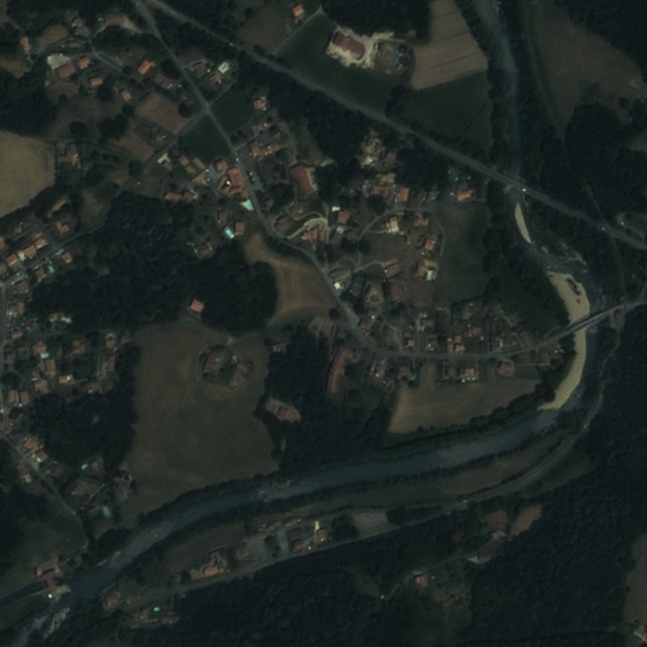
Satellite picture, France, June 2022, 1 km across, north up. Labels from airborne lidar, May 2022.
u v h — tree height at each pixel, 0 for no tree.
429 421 0
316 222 0
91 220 0
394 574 24
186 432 0
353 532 19
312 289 0
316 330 11
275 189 13
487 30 25
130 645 13
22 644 0
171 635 38
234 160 0
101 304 23
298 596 27
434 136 10
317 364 25
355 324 0
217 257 18
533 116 21
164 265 16
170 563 0
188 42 27
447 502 0
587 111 18
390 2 22
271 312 21
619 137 23
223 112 0
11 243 13
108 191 0
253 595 25
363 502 0
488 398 0
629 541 17
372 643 20
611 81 0
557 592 26
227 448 0
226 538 0
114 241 21
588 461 0
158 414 0
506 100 18
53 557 0
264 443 0
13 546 25
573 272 0
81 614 19
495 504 20
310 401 28
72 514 0
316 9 0
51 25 6
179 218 20
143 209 20
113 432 28
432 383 0
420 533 19
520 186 0
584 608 20
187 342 0
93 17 17
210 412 0
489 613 17
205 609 22
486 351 0
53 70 0
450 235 0
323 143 28
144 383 0
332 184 22
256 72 26
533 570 15
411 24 17
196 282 12
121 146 0
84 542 0
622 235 0
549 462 0
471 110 0
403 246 0
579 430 16
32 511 9
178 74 15
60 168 7
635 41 23
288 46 0
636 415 19
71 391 0
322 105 25
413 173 21
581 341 0
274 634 25
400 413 0
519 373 0
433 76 0
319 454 29
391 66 0
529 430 0
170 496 0
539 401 17
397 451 17
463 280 0
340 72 0
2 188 0
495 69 15
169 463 0
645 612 0
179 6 27
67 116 0
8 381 20
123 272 26
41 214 18
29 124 25
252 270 16
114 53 0
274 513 14
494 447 0
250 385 0
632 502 24
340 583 18
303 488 0
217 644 26
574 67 0
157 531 0
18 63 0
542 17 0
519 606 25
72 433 25
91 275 23
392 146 15
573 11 25
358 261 0
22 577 0
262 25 0
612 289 12
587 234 12
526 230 0
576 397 0
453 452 0
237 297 14
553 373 17
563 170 27
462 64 0
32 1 26
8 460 18
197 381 0
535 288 27
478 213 0
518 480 7
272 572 18
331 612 18
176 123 0
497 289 22
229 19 9
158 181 0
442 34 0
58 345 13
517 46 17
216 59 18
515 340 0
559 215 14
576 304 0
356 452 24
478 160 13
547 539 27
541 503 7
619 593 15
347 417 8
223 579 0
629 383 11
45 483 12
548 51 0
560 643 21
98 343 17
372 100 0
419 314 0
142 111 0
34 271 10
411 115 0
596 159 13
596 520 22
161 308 11
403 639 17
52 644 13
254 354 0
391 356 0
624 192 17
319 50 0
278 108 13
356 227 12
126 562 0
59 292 23
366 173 11
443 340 15
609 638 13
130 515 0
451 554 12
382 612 10
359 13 20
